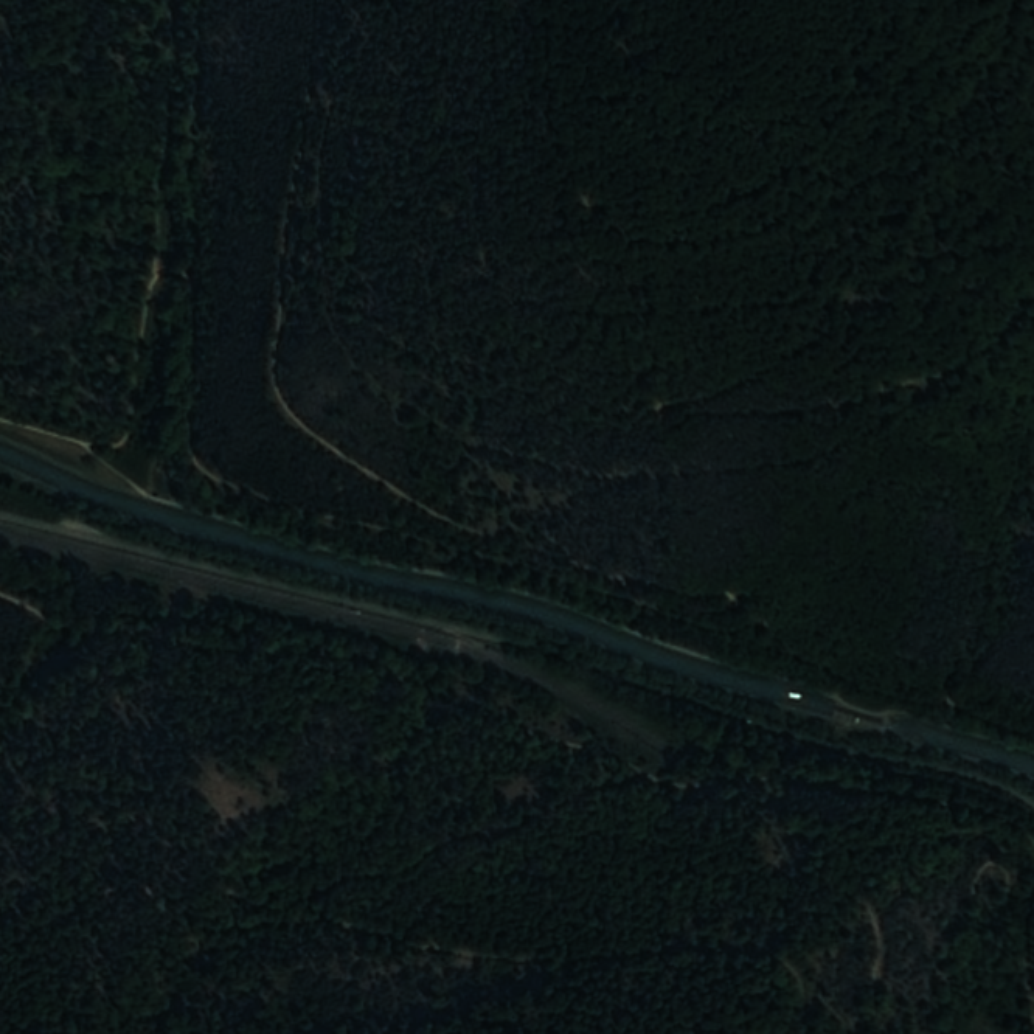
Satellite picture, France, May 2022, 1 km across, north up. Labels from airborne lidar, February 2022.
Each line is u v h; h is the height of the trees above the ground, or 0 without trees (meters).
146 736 27
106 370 28
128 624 16
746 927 12
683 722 27
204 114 23
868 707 0
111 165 25
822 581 0
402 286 27
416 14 29
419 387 10
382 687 30
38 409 23
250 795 0
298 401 11
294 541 15
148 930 28
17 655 16
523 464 23
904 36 30
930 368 28
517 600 0
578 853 23
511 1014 27
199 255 37
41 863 31
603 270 21
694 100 26
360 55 24
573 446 24
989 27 25
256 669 23
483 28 27
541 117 22
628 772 14
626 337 25
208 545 13
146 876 29
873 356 26
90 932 18
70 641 18
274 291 6
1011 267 31
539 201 24
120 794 33
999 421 30
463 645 0
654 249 25
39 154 26
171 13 0
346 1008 11
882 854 28
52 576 16
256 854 20
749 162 22
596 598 12
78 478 0
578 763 28
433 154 25
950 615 18
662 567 23
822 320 29
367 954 29
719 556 22
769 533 24
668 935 24
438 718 36
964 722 21
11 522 0
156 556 0
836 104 26
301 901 26
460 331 24
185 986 28
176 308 22
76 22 25
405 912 26
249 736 29
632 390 23
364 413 12
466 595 0
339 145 12
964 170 19
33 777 36
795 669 21
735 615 14
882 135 29
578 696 0
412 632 0
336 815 30
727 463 19
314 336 11
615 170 22
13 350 15
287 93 19
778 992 26
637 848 21
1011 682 16
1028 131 22
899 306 31
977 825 14
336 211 19
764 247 23
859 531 22
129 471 0
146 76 37
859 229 29
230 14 20
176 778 29
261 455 12
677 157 22
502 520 8
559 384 25
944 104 28
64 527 0
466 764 29
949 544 21
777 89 24
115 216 31
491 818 27
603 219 20
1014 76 27
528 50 24
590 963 18
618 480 11
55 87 15
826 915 21
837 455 27
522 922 20
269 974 28
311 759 22
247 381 10
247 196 7
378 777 32
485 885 23
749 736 29
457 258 26
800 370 23
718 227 22
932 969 9
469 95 26
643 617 20
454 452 10
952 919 9
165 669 30
